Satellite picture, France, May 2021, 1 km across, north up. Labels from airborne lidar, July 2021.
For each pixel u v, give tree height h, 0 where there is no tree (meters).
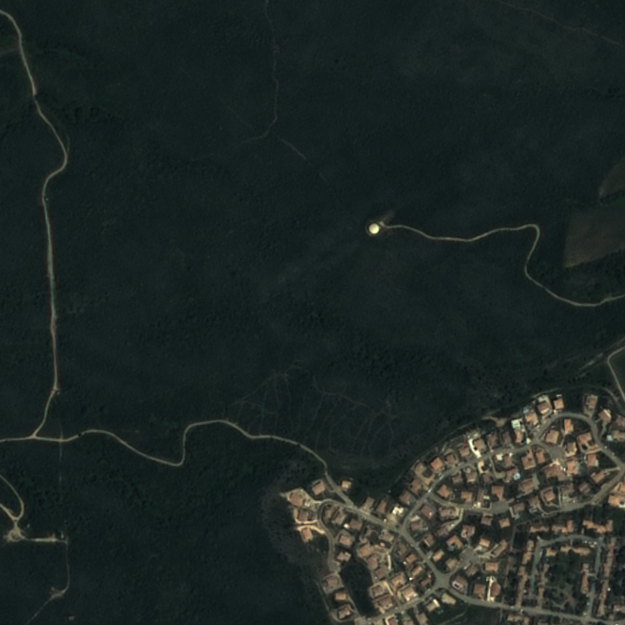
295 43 6
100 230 7
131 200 7
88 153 7
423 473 0
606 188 0
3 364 6
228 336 6
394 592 0
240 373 5
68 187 6
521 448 0
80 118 10
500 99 7
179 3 6
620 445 0
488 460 0
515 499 6
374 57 6
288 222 6
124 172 6
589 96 6
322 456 0
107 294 8
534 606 10
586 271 7
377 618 0
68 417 6
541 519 7
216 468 9
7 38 0
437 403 7
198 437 6
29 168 6
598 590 7
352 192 5
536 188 5
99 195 6
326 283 7
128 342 6
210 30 6
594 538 7
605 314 6
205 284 5
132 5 6
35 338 8
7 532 0
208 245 5
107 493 7
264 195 6
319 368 6
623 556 15
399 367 10
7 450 7
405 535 0
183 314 7
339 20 5
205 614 6
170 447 6
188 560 6
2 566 0
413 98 6
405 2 6
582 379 8
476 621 0
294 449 10
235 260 6
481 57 0
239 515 6
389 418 0
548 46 0
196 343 8
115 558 7
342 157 6
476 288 0
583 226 0
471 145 6
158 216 7
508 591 11
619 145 6
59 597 0
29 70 0
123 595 7
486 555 0
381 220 0
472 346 5
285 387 6
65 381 6
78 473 7
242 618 7
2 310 7
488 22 0
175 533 7
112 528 11
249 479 7
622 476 0
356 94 6
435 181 5
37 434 0
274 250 9
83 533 8
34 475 6
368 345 10
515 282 6
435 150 6
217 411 7
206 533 9
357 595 7
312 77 6
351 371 7
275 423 6
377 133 5
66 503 6
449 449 0
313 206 5
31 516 7
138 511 6
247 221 6
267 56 5
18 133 7
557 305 6
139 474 7
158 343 9
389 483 0
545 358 6
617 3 6
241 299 6
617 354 0
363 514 0
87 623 6
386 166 6
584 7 6
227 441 6
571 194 7
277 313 6
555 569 9
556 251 7
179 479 7
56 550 7
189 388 5
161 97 5
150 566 6
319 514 0
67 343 9
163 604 6
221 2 6
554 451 0
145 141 6
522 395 8
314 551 0
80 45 6
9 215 6
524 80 7
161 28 5
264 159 7
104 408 12
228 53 6
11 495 7
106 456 8
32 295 6
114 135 7
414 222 5
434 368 8
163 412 9
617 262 9
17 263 7
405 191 5
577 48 0
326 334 9
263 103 6
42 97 10
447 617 0
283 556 7
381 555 0
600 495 0
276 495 0
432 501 0
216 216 6
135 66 6
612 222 0
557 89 6
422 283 5
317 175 5
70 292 11
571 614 6
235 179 7
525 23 0
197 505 11
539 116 6
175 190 6
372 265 0
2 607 6
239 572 6
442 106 6
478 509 0
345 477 0
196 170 7
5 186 6
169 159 10
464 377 7
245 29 9
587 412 0
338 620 0
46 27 6
